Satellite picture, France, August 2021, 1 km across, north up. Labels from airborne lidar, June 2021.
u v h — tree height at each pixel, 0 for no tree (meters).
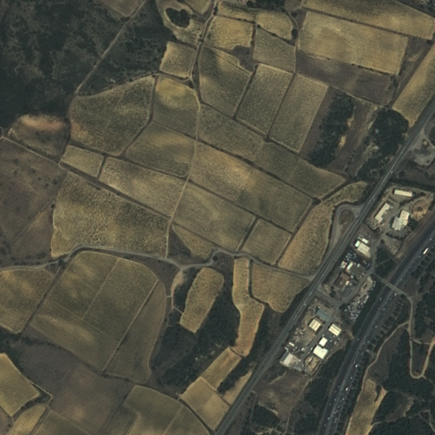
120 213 0
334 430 0
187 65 0
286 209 0
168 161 0
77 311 0
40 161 0
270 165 0
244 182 0
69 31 0
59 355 0
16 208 0
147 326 0
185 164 0
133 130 0
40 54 0
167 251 0
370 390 0
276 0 7
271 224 0
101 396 0
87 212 0
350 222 0
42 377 0
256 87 0
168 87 0
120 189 0
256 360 10
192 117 0
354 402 10
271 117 0
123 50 0
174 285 0
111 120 0
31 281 0
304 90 0
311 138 0
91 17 0
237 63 0
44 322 0
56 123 0
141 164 0
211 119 0
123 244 0
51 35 0
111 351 0
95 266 0
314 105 0
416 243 0
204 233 0
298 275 0
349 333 0
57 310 0
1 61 0
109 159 0
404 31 0
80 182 0
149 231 0
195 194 0
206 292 0
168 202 0
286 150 0
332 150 6
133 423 0
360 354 0
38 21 0
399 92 0
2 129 0
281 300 0
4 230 0
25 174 0
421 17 0
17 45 0
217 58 0
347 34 0
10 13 0
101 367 0
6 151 0
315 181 0
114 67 0
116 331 0
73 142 0
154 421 0
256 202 0
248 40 0
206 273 0
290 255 0
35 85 0
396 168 0
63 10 0
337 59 0
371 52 0
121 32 0
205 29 0
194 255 0
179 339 0
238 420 0
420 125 0
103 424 0
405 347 7
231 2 0
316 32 0
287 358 0
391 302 0
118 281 0
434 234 0
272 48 0
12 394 0
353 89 0
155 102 0
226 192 0
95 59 0
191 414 0
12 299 0
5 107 0
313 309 0
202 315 0
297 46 0
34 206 0
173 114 0
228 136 0
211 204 0
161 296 0
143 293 0
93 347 0
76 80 0
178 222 0
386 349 0
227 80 0
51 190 0
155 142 0
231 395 0
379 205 0
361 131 0
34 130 0
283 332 0
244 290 0
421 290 8
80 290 0
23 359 0
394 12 0
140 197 0
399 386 10
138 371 0
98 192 0
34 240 0
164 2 0
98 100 0
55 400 0
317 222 0
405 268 0
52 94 0
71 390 0
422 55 0
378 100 0
